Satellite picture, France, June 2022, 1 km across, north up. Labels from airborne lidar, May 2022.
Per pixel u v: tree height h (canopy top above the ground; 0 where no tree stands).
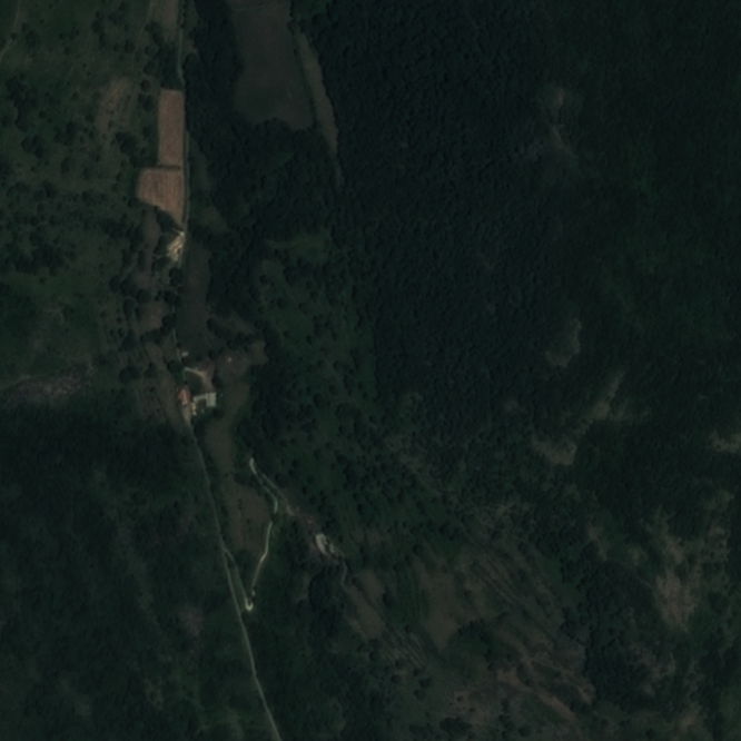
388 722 8
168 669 8
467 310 9
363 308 8
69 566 9
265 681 9
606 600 11
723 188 11
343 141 15
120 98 0
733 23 14
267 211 16
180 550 6
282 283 0
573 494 6
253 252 20
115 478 6
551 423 10
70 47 7
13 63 0
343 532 7
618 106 10
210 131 23
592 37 6
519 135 13
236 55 11
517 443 7
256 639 8
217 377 10
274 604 7
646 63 11
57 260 11
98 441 9
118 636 6
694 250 11
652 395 7
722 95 15
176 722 7
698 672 6
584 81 10
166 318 14
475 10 11
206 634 7
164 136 0
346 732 11
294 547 17
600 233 9
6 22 0
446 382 14
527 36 17
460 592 0
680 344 12
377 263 11
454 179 24
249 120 10
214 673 5
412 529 7
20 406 7
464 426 11
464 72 23
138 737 5
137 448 9
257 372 16
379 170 17
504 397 11
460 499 8
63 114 0
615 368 7
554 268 12
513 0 14
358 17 19
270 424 14
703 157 12
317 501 13
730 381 9
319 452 8
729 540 9
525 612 8
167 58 8
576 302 13
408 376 15
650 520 8
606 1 11
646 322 6
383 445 7
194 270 0
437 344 13
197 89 20
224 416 9
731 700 0
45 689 6
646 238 10
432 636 0
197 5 11
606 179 9
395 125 17
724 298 11
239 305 14
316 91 0
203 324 0
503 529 9
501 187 10
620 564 8
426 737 7
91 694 5
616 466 14
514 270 15
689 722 0
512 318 12
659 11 14
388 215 8
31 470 8
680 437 12
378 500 8
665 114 14
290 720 6
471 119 19
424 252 11
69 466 9
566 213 9
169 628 11
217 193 14
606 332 11
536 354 10
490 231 8
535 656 0
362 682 12
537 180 9
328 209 13
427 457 7
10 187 8
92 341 0
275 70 0
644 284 13
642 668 9
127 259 11
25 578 7
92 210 7
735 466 12
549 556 10
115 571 7
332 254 9
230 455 0
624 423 7
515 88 21
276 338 13
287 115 0
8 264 11
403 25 16
